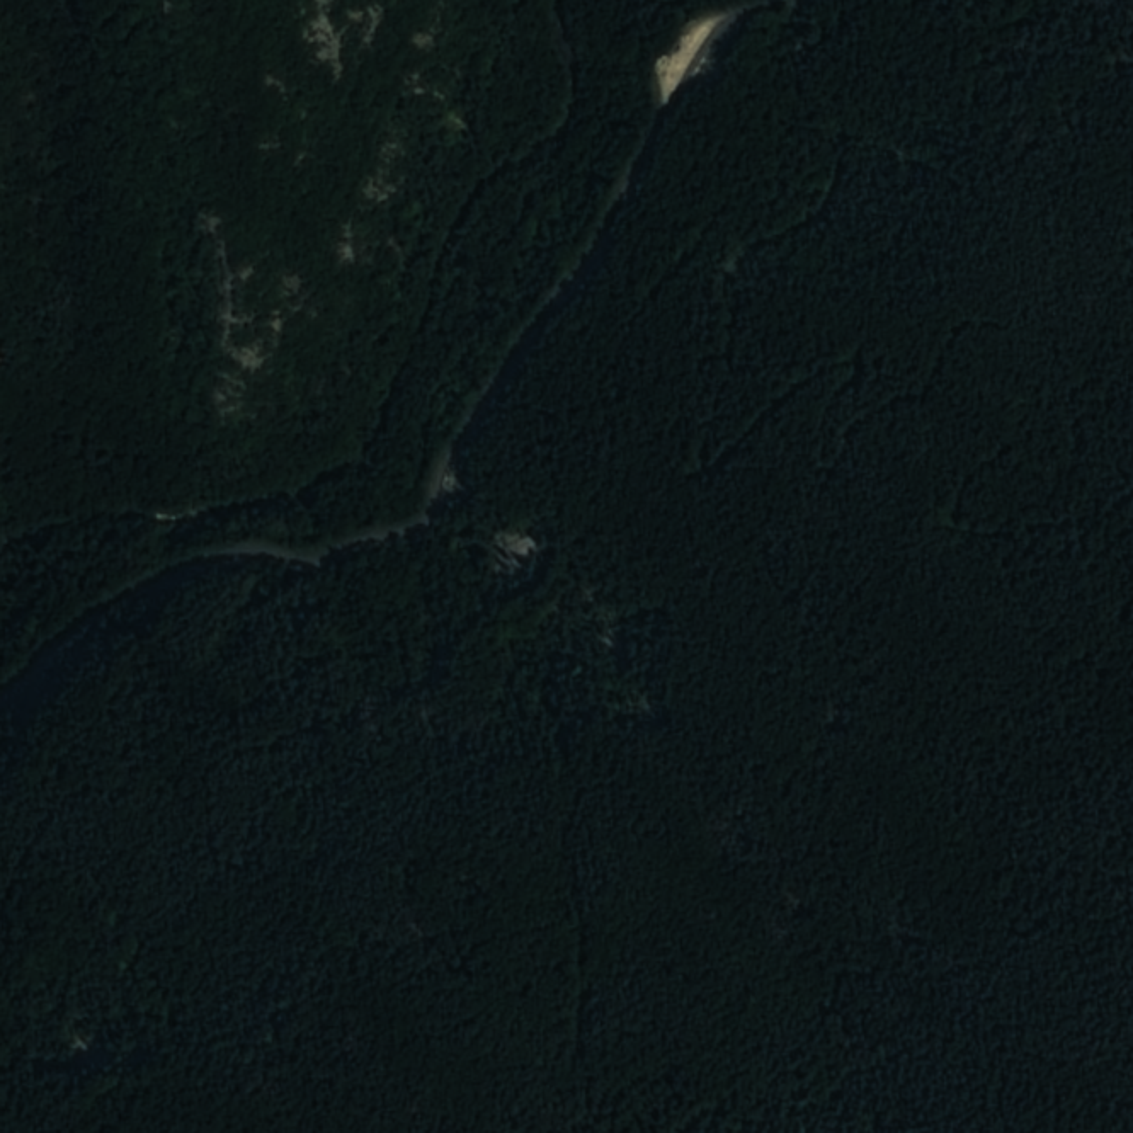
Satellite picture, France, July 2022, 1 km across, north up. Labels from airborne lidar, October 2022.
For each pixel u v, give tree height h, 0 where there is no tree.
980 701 23
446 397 17
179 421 14
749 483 22
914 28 26
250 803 25
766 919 24
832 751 27
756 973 20
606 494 22
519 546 0
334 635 25
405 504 9
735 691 21
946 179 12
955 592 20
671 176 24
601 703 29
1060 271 23
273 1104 26
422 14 10
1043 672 25
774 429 17
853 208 26
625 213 16
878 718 32
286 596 37
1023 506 24
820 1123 21
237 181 18
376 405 14
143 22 13
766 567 18
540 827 29
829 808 25
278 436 8
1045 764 23
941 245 25
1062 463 24
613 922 25
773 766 30
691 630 22
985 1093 23
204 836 28
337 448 29
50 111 31
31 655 16
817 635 22
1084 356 26
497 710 25
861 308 13
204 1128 28
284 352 18
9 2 27
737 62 14
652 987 26
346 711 28
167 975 25
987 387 23
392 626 16
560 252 21
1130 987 22
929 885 24
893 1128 24
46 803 23
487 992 19
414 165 13
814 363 25
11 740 22
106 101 25
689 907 23
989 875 24
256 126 13
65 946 27
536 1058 16
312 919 27
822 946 24
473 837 21
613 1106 14
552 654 7
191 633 32
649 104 8
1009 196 25
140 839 31
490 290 35
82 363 28
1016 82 24
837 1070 20
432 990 24
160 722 29
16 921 35
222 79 17
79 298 28
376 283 18
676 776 26
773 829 27
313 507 23
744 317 21
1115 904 21
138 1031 20
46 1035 18
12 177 18
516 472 26
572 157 20
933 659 23
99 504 29
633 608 14
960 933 22
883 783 26
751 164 21
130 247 27
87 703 25
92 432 25
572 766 26
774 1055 22
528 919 23
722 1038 19
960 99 22
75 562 31
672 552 22
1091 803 20
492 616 13
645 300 19
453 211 21
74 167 34
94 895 31
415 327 25
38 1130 32
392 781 23
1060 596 24
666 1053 20
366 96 18
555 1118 25
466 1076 21
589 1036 24
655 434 21
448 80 13
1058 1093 18
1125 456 23
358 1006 25
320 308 10
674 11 24
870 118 18
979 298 25
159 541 11
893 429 22
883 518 24
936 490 20
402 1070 22
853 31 25
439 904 27
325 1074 25
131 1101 18
